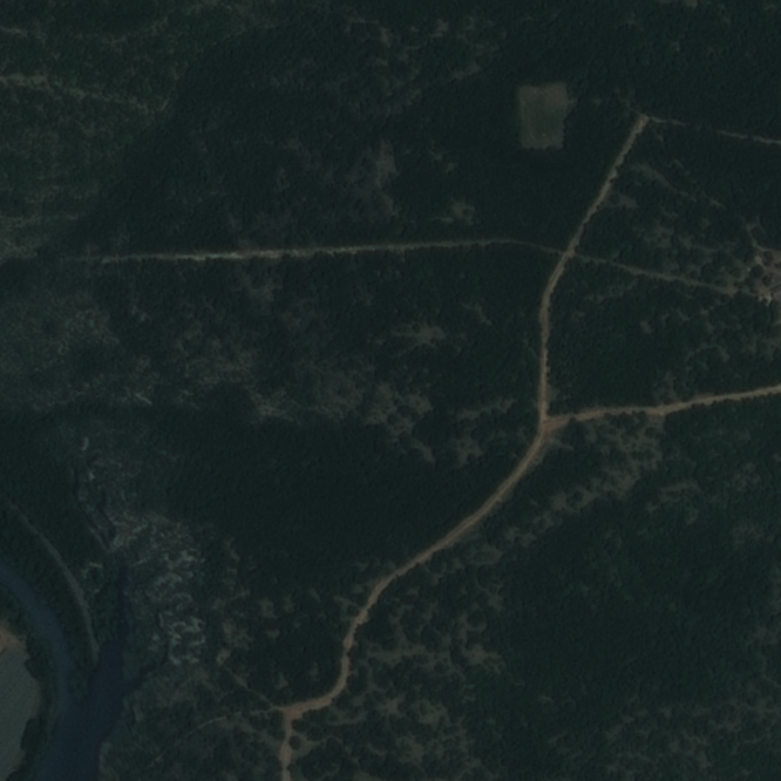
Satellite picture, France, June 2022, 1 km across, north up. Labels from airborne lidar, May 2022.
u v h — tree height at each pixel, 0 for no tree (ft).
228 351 24
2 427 57
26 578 45
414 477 31
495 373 24
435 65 33
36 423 35
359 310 34
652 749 18
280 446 38
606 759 20
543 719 31
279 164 30
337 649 34
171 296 26
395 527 34
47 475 49
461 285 35
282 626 33
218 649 20
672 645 27
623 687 25
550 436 0
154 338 20
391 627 30
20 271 31
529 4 43
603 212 24
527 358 27
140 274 24
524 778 27
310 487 45
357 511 35
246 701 30
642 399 31
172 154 37
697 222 31
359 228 31
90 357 42
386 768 39
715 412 30
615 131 35
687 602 31
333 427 27
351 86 27
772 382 28
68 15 23
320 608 33
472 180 32
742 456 28
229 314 21
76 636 65
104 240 19
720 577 30
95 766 54
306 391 18
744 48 27
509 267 39
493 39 25
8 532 74
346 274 31
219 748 26
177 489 23
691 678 31
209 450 28
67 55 19
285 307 31
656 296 30
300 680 34
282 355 25
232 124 23
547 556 33
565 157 44
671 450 30
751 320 25
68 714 0
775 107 36
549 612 33
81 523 30
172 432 21
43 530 64
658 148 34
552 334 21
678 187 29
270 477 35
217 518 20
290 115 25
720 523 34
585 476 20
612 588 20
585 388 31
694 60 33
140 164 48
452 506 32
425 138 35
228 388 26
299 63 25
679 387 24
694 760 21
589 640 35
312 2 21
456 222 26
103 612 53
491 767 22
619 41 40
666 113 35
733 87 33
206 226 33
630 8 40
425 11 27
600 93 31
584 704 33
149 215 26
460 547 30
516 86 45
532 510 32
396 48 19
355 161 29
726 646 21
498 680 23
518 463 30
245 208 31
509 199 34
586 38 36
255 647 32
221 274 29
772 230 20
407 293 31
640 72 29
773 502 27
